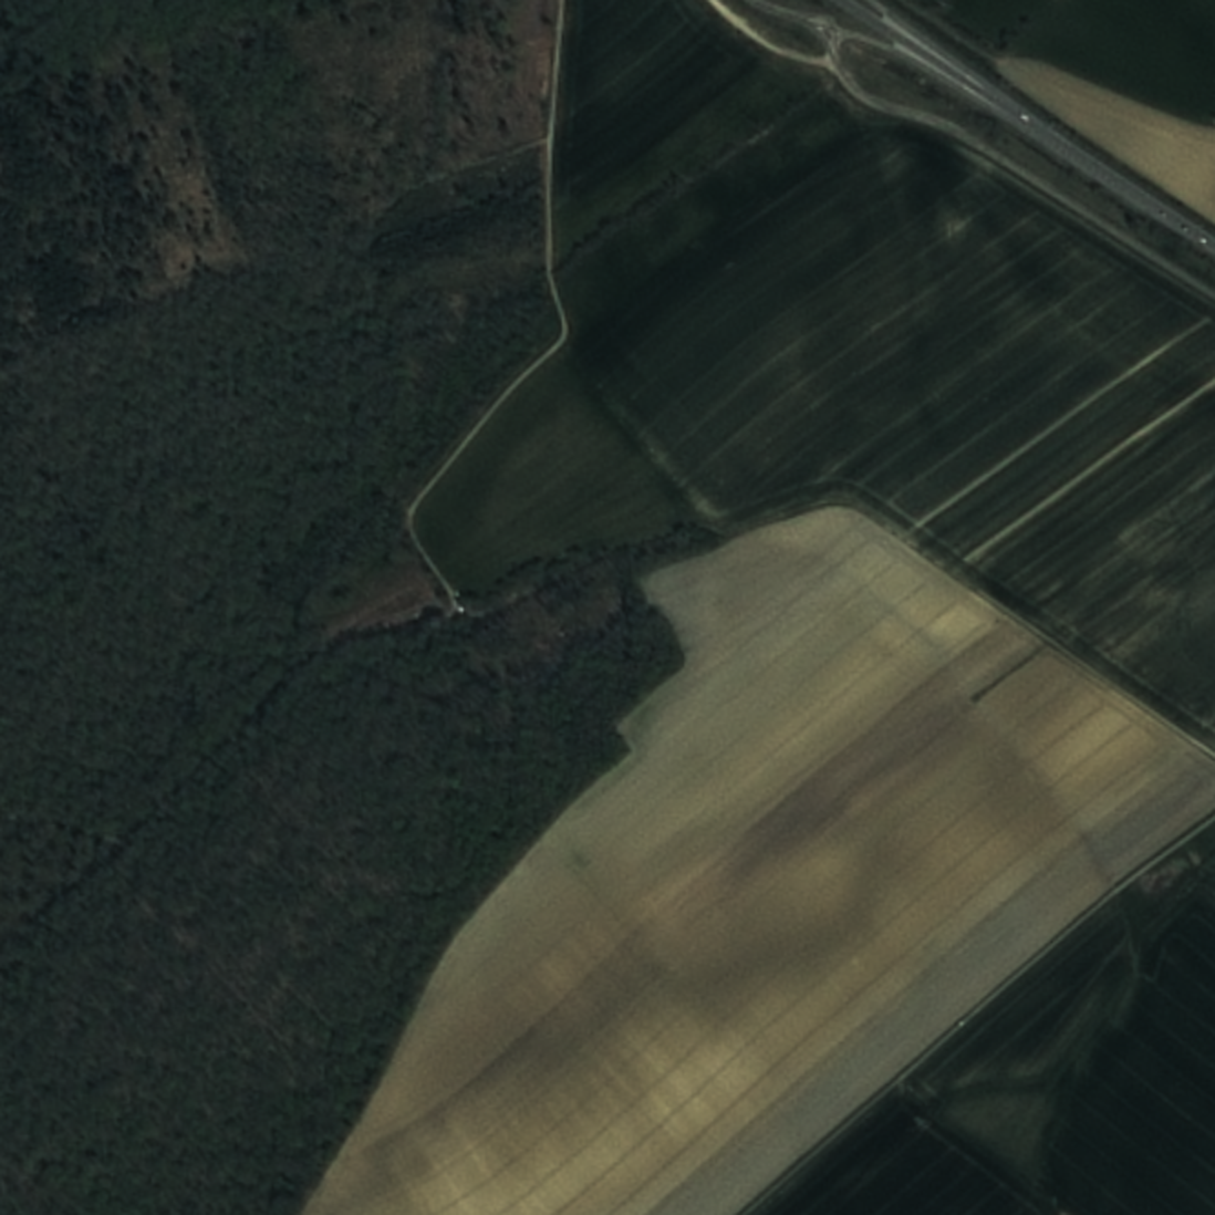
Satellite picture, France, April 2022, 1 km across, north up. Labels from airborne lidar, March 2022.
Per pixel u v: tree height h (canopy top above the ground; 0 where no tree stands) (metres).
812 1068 0
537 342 21
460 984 0
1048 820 0
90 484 20
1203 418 0
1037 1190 0
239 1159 24
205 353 22
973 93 0
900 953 0
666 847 0
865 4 0
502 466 0
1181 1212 0
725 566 0
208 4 22
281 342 26
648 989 0
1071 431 0
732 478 0
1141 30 0
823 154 0
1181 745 0
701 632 0
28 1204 26
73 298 12
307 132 22
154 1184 24
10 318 20
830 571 0
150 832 19
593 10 0
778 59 0
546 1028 0
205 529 26
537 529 0
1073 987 0
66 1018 22
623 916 0
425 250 14
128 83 0
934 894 0
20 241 16
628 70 0
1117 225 0
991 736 0
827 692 0
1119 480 0
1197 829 0
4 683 22
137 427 26
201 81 23
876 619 0
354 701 22
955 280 0
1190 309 0
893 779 0
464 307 0
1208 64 0
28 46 26
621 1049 0
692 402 0
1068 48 0
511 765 24
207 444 20
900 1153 0
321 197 23
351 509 24
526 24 0
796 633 0
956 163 0
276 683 19
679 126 0
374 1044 23
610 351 0
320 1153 22
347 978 25
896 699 0
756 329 0
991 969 0
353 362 24
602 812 0
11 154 14
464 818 22
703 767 0
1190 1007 0
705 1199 0
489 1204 0
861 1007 0
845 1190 0
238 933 22
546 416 0
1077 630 0
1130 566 0
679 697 0
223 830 18
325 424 21
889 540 0
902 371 0
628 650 21
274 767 24
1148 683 0
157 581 24
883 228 0
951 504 0
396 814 25
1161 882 0
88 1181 22
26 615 22
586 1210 0
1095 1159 0
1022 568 0
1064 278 0
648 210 13
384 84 0
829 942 0
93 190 20
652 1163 0
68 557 22
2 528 20
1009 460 0
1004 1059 0
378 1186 0
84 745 24
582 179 0
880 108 0
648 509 0
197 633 21
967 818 0
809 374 0
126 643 23
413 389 22
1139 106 0
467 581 0
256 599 26
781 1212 0
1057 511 0
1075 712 0
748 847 0
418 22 0
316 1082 25
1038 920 0
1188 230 0
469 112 22
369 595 24
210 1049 24
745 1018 0
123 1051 23
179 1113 23
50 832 25
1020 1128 0
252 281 20
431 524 0
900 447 0
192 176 19
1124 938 0
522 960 0
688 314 0
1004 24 0
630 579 15
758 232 0
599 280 0
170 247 0
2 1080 24
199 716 27
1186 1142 0
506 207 10
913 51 0
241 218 17
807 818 0
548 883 0
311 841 24
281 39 23
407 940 23
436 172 16
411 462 0
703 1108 0
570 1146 0
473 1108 0
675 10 0
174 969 24
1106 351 0
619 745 20
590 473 0
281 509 20
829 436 0
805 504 0
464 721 23
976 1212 0
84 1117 22
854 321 0
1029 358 0
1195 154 0
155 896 21
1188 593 0
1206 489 0
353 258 18
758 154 0
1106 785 0
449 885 21
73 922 21
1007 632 0
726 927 0
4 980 19
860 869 0
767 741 0
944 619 0
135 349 22
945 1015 0
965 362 0
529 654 26
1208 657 0
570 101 0
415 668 19
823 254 0
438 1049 0
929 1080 0
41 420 22
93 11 21
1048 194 0
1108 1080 0
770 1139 0
